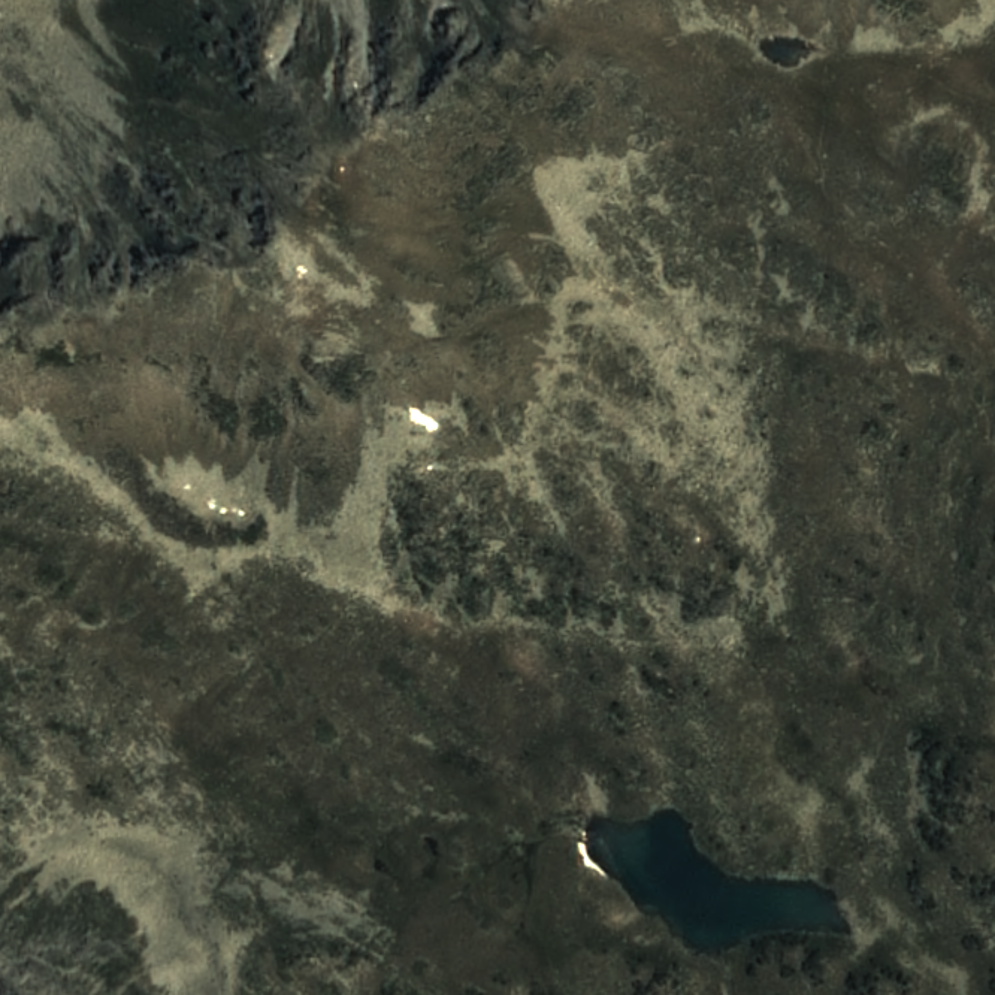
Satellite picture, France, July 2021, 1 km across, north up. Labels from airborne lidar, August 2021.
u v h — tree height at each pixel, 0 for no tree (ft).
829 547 0
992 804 0
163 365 0
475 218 0
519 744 0
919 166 0
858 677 0
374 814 0
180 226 0
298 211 0
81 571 0
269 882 0
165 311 0
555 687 0
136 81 0
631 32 0
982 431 0
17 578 0
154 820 0
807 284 0
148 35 0
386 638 0
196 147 0
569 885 0
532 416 0
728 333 0
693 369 0
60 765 0
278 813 0
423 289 0
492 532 0
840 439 0
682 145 0
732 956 0
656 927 0
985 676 0
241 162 0
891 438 0
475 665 0
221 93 0
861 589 0
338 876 0
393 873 0
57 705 0
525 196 0
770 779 0
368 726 0
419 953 0
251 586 0
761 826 0
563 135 0
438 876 0
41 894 0
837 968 0
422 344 0
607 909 0
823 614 0
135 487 0
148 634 0
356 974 0
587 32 0
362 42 0
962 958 0
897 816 0
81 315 0
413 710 0
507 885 0
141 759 0
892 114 0
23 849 0
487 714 0
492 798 0
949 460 0
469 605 20
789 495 0
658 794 0
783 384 0
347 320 0
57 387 0
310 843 0
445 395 0
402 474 0
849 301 0
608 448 0
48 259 0
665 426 0
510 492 0
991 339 0
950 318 0
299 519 0
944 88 0
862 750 0
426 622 0
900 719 0
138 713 0
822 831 0
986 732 0
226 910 0
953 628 0
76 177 0
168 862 0
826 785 0
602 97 0
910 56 0
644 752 0
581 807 0
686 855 0
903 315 0
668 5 0
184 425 0
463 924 0
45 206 0
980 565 0
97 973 0
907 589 0
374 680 0
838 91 0
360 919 0
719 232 0
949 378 0
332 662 0
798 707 0
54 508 0
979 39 0
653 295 0
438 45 0
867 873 0
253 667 0
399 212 0
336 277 0
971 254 0
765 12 0
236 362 0
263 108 0
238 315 0
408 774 0
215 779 0
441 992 0
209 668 0
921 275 0
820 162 0
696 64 0
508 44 0
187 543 0
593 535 0
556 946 0
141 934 0
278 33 0
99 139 0
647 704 0
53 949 0
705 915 0
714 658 0
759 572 0
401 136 0
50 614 0
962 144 0
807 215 0
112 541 0
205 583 0
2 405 0
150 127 0
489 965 0
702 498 0
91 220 0
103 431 0
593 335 0
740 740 0
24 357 0
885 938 0
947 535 0
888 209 0
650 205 0
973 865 0
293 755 0
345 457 0
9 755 0
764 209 0
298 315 0
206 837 0
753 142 0
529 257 0
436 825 0
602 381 0
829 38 0
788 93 0
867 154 0
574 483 0
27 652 0
